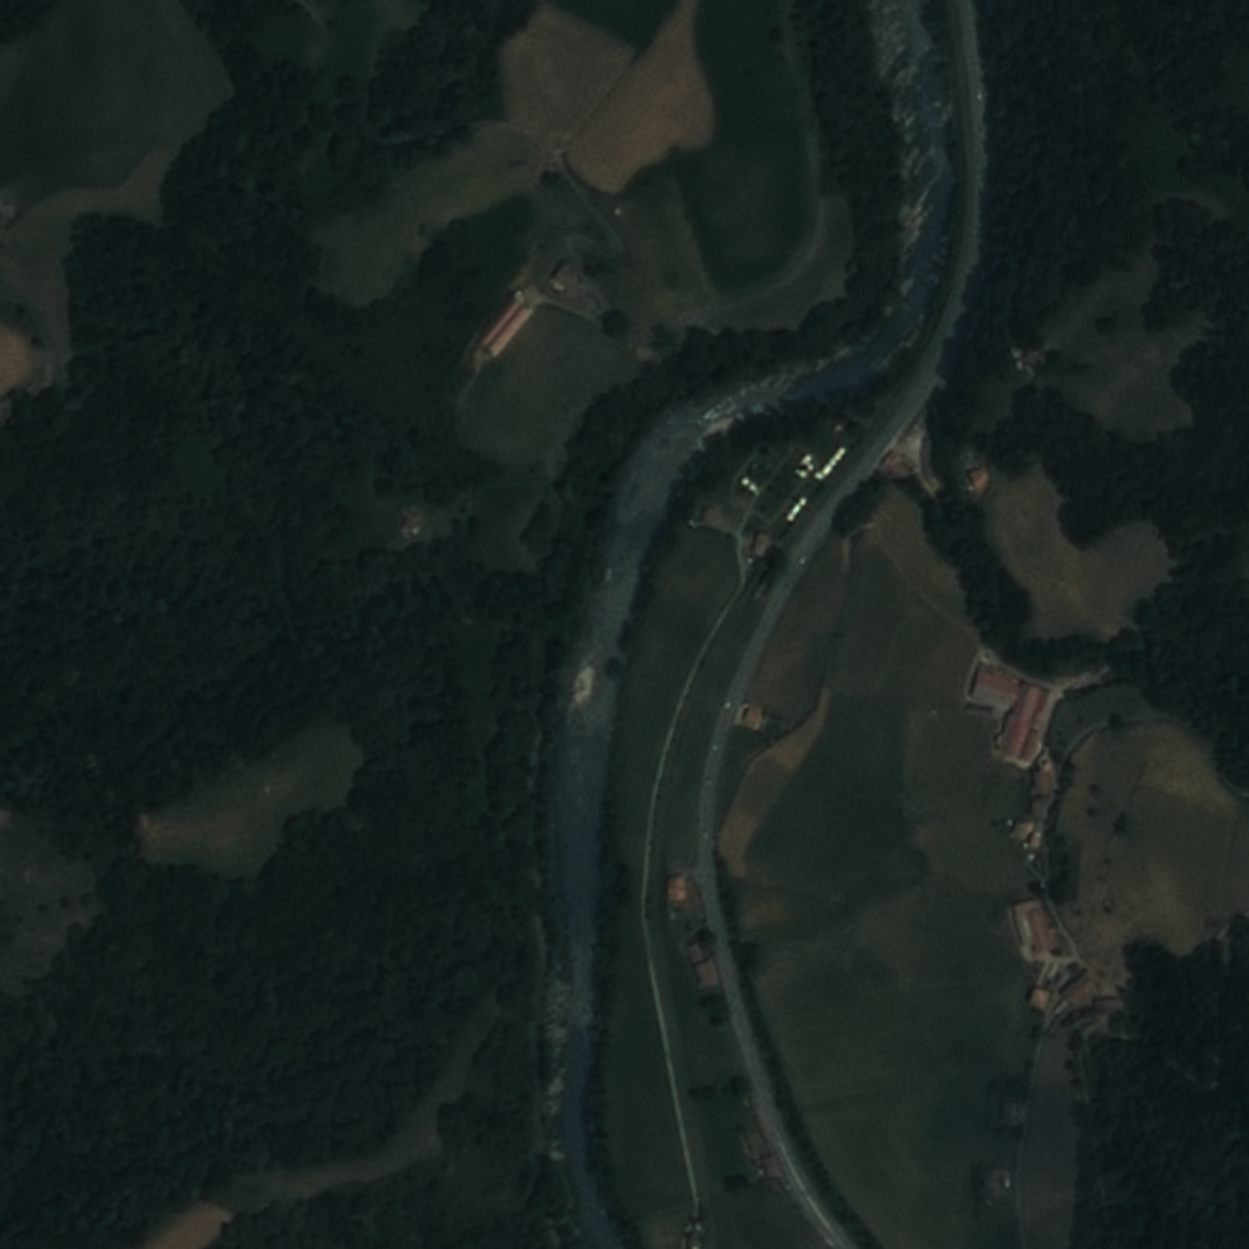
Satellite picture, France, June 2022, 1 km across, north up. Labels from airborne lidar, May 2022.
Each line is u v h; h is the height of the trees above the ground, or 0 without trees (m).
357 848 26
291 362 15
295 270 22
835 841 0
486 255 0
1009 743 0
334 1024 21
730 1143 0
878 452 0
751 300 0
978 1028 0
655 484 0
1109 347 0
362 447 40
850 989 0
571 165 0
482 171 0
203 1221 0
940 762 0
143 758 33
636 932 0
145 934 14
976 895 0
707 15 0
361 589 25
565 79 0
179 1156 19
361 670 24
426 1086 14
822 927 0
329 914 22
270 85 20
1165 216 17
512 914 17
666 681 0
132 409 12
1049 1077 0
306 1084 29
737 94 0
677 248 0
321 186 0
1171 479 11
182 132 0
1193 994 19
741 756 0
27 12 19
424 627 28
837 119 23
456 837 23
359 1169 0
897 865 0
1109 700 0
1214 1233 9
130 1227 21
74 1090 14
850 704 0
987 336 24
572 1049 0
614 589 0
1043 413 17
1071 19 19
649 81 0
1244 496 15
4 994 7
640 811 0
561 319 0
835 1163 0
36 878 0
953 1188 0
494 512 0
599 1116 34
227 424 22
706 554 0
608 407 22
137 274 14
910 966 0
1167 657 14
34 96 0
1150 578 0
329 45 0
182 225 16
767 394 0
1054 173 21
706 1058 0
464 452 8
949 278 6
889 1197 0
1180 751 0
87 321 22
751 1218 0
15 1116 19
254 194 23
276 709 27
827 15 21
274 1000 22
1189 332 0
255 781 0
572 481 12
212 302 27
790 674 0
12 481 8
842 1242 0
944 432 12
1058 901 12
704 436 0
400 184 0
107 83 0
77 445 16
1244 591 10
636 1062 0
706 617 0
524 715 27
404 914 21
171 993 16
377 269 0
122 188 0
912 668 0
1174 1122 20
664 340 16
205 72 0
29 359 0
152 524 21
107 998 23
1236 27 17
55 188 0
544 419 0
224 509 16
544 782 12
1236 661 25
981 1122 0
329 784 0
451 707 23
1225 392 20
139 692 31
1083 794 0
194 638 20
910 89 0
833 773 0
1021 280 29
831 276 0
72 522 21
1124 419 0
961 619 0
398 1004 31
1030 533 0
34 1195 30
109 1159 31
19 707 19
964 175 7
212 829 0
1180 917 0
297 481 22
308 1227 20
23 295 0
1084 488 27
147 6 0
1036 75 11
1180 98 11
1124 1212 11
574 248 0
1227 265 21
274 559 15
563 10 0
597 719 0
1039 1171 0
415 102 28
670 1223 0
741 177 0
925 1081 0
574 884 0
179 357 27
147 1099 30
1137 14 19
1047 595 0
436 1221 21
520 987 16
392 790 24
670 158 0
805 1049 0
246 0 24
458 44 24
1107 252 22
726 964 0
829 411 16
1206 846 0
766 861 0
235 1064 25
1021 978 0
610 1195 9
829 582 0
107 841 19
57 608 16
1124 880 0
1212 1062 11
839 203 0
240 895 20
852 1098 0
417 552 17
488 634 0
